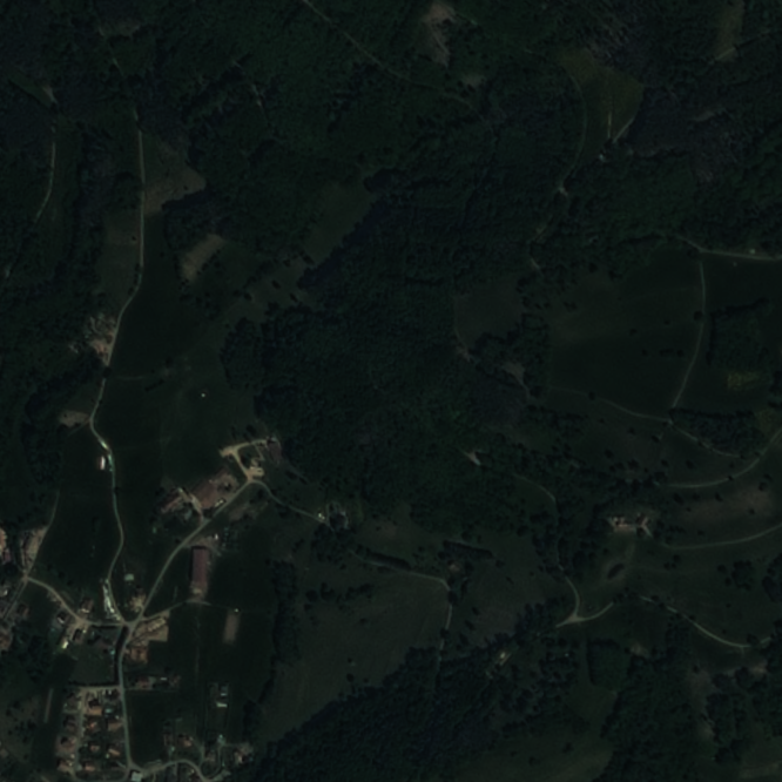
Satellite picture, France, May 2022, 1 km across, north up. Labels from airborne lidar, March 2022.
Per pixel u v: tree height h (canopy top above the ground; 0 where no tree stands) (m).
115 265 0
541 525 15
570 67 0
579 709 0
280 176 22
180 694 0
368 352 14
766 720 8
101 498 0
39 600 0
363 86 19
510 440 8
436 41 0
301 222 21
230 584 0
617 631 0
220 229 21
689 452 0
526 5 22
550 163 14
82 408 0
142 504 0
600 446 0
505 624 0
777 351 0
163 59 26
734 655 0
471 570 20
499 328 0
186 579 0
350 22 22
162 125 27
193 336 0
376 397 20
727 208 23
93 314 20
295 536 0
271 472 0
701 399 0
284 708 0
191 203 23
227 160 19
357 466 29
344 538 17
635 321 0
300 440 21
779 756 0
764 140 22
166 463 0
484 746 15
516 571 0
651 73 22
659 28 11
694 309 0
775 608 0
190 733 0
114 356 0
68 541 0
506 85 26
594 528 13
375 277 25
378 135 23
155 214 0
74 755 0
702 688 0
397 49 18
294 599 19
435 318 15
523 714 10
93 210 25
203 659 0
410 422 21
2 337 17
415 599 0
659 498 16
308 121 21
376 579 0
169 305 0
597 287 0
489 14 17
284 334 24
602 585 0
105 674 0
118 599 0
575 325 0
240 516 0
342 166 23
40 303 25
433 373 21
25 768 0
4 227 12
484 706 20
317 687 0
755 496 0
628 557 0
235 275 0
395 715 25
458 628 0
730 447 17
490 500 23
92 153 30
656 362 0
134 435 0
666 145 26
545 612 16
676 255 0
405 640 0
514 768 0
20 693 0
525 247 13
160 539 0
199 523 0
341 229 0
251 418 0
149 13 28
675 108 25
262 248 23
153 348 0
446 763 16
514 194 22
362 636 0
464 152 28
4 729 0
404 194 25
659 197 25
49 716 0
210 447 0
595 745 0
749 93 10
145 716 0
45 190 6
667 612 6
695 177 23
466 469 16
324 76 18
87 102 27
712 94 21
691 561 0
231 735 0
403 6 17
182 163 0
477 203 18
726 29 0
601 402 0
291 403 23
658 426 0
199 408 0
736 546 0
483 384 25
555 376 0
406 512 0
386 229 29
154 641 0
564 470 19
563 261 15
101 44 17
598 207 21
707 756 0
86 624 0
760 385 0
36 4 21
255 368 24
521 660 0
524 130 17
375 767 20
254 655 0
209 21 16
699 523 0
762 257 0
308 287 24
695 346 0
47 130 22
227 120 21
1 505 0
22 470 0
